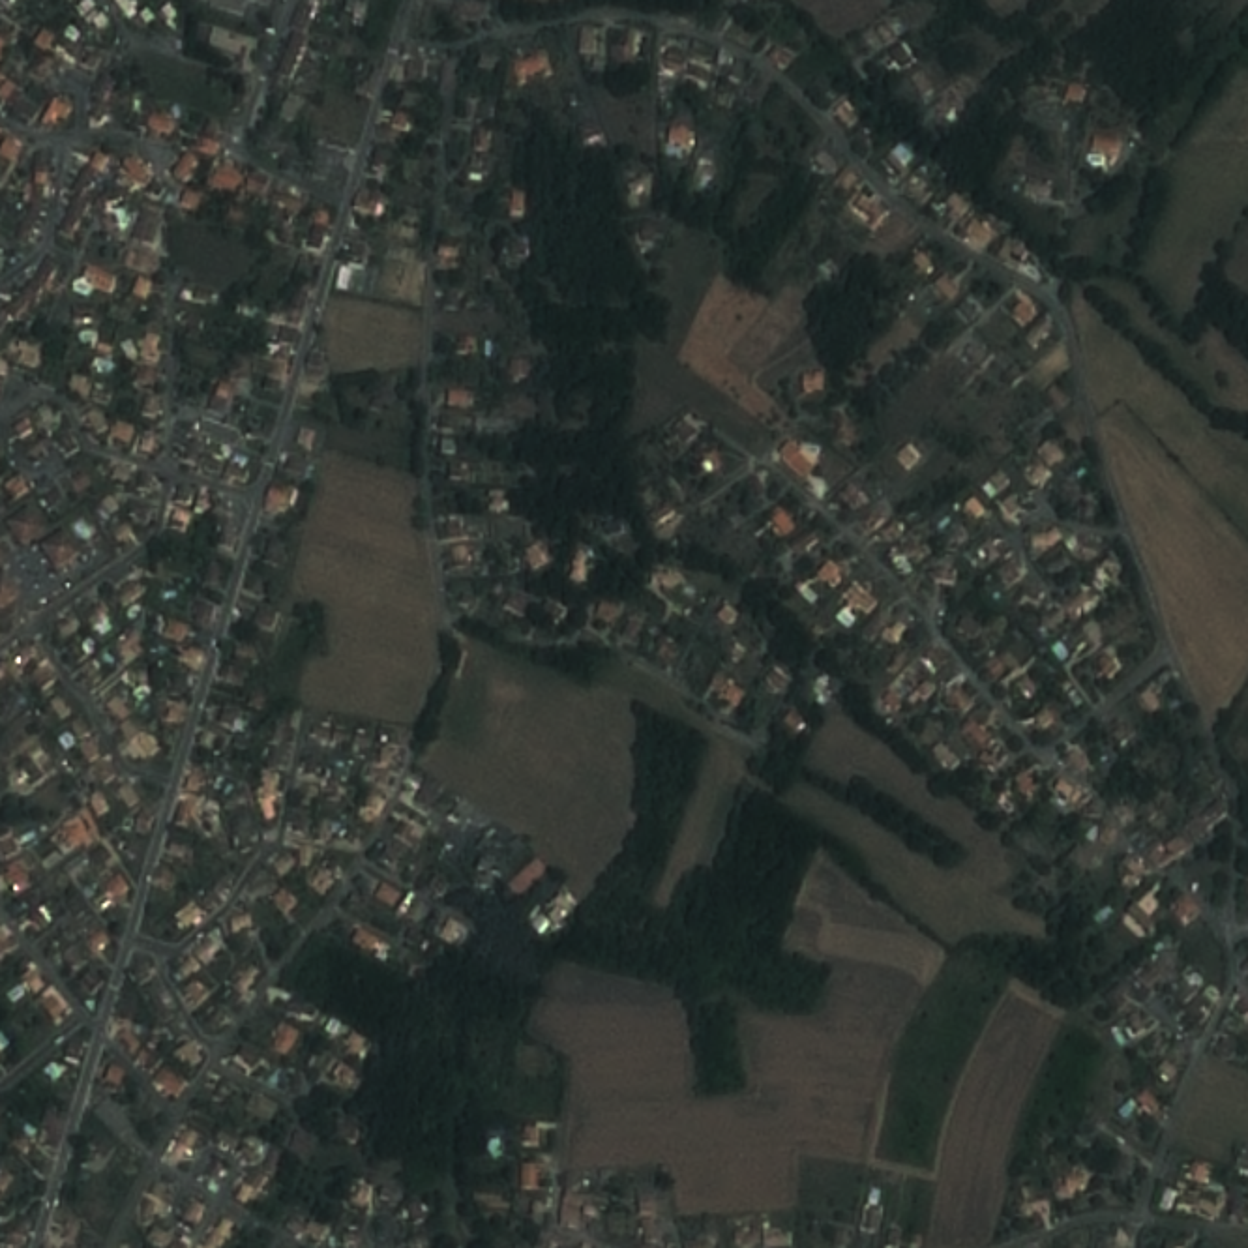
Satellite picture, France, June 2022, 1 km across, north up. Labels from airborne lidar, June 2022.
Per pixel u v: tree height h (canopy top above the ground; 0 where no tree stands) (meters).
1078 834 16
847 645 14
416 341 0
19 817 12
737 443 0
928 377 0
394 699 0
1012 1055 0
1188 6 9
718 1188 0
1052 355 0
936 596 0
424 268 0
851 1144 0
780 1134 0
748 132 15
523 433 11
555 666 11
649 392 0
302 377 0
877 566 0
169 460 0
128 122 7
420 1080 8
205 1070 0
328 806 0
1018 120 11
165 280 9
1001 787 9
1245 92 0
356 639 0
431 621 0
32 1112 9
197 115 6
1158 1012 0
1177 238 0
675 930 8
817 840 11
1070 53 11
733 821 11
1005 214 21
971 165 20
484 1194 0
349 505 0
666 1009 0
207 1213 0
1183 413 0
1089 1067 0
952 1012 0
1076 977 16
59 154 0
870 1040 0
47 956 7
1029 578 0
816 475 9
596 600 11
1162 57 12
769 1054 0
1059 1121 10
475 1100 12
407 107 6
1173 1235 7
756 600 12
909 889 0
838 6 0
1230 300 13
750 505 9
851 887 0
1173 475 0
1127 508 0
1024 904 10
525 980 16
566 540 13
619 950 6
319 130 0
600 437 14
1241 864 14
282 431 0
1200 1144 0
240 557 0
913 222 0
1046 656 6
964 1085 0
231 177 0
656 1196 0
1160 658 0
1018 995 0
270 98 9
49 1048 0
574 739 0
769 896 14
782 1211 0
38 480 7
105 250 12
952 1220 0
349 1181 12
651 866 6
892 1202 0
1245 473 0
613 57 7
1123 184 21
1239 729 0
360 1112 11
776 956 10
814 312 10
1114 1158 7
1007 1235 10
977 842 0
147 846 0
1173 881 8
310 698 0
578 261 13
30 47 10
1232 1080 0
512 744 0
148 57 0
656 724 6
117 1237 0
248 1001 0
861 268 12
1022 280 0
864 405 15
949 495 8
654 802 9
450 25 8
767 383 0
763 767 10
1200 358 0
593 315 16
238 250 0
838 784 11
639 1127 0
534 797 0
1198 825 0
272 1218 7
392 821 6
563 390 14
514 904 20
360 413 16
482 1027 6
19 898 9
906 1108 0
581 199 15
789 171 10
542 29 6
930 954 0
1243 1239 0
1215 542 0
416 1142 11
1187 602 0
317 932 9
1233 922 0
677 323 0
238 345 8
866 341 17
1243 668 0
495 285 13
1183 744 6
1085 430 0
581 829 0
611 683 0
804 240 8
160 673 10
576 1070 0
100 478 0
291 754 0
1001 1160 0
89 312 0
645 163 7
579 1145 0
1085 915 8
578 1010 0
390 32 0
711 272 0
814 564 10
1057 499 6
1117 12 14
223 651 13
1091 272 18
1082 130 8
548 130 13
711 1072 6
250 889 0
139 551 0
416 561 0
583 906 9
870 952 0
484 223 10
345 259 6
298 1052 7
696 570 17
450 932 0
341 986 11
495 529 0
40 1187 12
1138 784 12
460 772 0
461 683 0
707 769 0
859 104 10
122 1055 0
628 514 14
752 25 17
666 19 0
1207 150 0
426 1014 6
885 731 9
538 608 15
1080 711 7
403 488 0
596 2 14
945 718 7
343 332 0
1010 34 12
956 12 8
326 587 0
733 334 0
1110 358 0
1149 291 16
